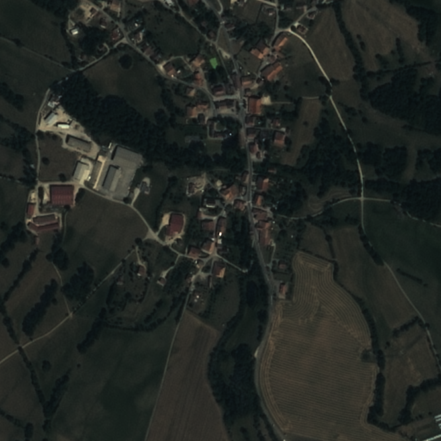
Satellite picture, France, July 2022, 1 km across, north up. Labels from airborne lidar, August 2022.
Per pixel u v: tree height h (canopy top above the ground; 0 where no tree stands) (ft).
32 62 0
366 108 0
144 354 0
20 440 0
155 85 0
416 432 0
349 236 0
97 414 0
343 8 0
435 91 0
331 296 0
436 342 0
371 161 44
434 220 28
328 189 25
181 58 0
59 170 0
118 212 0
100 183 0
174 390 0
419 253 0
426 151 46
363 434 0
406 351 0
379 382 51
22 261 0
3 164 0
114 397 0
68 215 0
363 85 31
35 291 0
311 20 26
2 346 0
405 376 0
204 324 0
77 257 0
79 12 0
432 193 58
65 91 28
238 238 44
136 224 0
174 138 0
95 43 62
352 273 0
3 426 0
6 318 23
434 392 0
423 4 0
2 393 0
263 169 26
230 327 42
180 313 31
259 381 0
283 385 0
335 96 0
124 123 62
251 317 0
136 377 0
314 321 0
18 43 54
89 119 70
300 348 0
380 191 67
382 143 0
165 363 0
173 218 0
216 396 45
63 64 39
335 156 64
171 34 0
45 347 0
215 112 0
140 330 56
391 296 0
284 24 18
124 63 73
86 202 0
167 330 0
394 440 0
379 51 0
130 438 0
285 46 0
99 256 0
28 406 0
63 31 50
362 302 19
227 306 0
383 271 0
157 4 53
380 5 0
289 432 0
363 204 0
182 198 29
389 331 0
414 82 50
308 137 0
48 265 0
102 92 0
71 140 0
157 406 0
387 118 0
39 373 0
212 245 0
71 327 0
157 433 0
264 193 32
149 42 30
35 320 62
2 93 48
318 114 0
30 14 0
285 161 0
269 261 0
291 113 25
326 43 0
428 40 37
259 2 0
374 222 0
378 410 61
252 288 104
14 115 0
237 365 24
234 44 0
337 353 0
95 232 0
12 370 0
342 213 0
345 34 29
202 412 0
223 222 0
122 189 0
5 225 38
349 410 0
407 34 0
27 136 56
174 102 55
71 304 0
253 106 0
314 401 0
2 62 0
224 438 0
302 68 0
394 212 0
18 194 0
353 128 0
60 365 0
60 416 0
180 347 0
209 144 0
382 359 58
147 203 0
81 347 56
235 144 76
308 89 0
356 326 0
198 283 26
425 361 0
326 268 0
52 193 0
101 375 0
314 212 0
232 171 46
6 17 0
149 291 0
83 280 58
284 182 21
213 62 0
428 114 45
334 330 0
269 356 0
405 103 67
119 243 0
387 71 20
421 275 0
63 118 0
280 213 28
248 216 0
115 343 0
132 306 0
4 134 0
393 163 72
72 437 0
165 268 0
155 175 0
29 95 0
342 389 0
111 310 33
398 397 0
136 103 0
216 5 0
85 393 0
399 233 0
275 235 0
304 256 0
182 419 0
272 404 0
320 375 0
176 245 0
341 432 0
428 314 0
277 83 30
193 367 0
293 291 0
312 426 0
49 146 0
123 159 0
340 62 0
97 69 0
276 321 0
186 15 0
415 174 0
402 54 41
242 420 0
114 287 20
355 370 0
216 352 42
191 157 88
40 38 0
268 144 43
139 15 42
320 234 0
